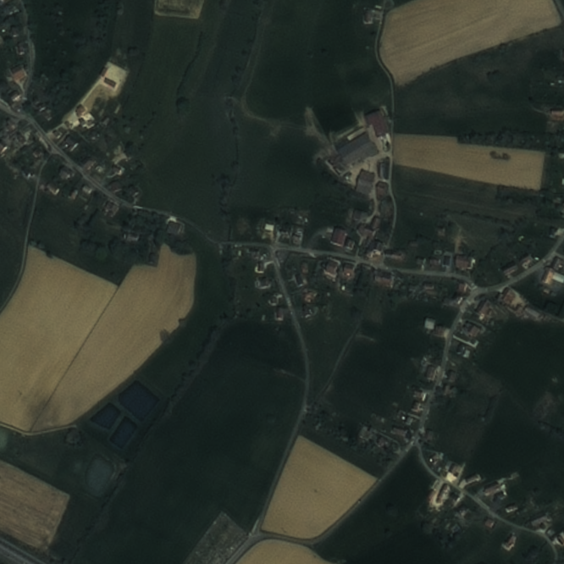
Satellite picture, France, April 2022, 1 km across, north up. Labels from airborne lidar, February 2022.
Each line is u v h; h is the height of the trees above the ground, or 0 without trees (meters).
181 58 0
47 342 0
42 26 0
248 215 0
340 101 0
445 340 0
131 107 0
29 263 0
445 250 0
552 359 0
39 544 0
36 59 0
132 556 0
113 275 7
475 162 0
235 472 0
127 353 0
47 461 0
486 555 0
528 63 0
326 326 0
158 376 0
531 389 0
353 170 0
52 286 0
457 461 0
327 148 0
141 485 0
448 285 0
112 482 0
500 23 0
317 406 9
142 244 9
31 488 0
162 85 0
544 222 0
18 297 0
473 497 0
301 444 0
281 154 0
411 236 0
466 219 0
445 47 0
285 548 0
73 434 17
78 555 0
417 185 0
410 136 0
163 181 0
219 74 0
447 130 0
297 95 0
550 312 10
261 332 0
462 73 0
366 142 0
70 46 0
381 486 0
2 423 0
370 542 0
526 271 0
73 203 0
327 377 0
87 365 0
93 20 0
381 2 0
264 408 0
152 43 0
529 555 13
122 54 0
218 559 0
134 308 0
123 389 0
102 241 0
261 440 0
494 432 0
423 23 0
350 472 0
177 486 0
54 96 12
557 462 0
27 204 0
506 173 0
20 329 0
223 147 0
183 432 0
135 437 0
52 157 6
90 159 0
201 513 0
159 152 0
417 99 0
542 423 13
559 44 0
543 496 0
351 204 0
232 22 0
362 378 0
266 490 0
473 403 0
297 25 0
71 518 0
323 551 0
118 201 0
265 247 0
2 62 0
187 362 0
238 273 0
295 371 0
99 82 0
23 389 0
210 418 0
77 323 0
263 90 0
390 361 0
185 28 0
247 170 0
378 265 0
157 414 0
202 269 0
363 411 0
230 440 0
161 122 0
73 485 0
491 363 0
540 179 0
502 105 0
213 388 0
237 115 0
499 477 0
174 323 0
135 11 0
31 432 0
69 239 0
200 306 0
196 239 0
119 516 0
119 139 0
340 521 0
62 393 0
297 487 0
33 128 0
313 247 0
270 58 0
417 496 0
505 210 0
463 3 0
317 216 0
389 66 0
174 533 0
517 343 0
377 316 0
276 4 0
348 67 0
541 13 0
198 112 0
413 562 0
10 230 0
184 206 0
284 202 0
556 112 0
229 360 0
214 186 12
